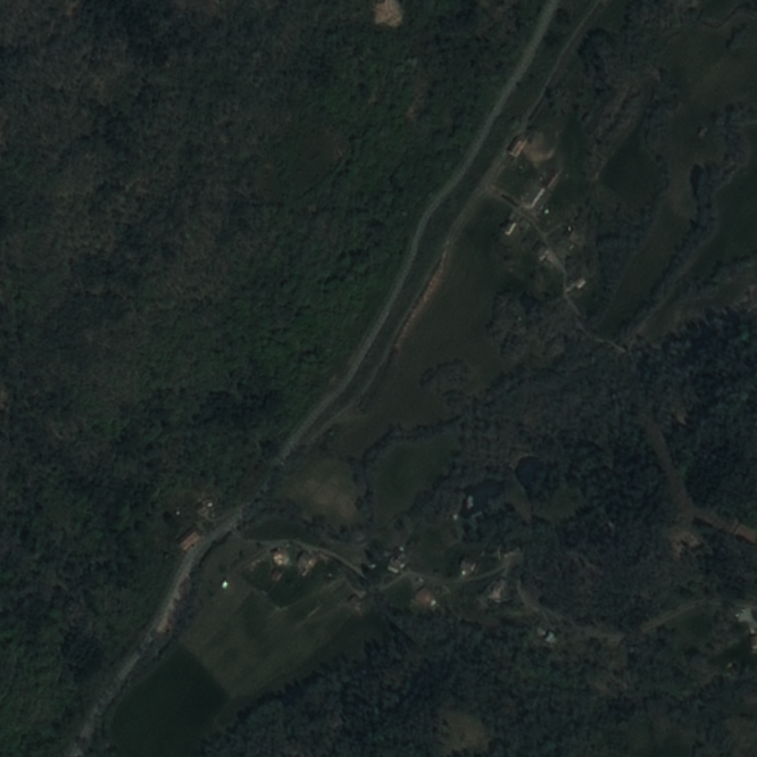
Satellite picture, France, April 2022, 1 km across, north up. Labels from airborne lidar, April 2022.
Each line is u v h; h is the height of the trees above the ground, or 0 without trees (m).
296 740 20
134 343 16
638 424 20
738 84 0
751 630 0
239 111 24
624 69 7
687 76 0
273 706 21
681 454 18
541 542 16
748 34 7
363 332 9
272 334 15
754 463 14
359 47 13
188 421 7
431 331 0
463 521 0
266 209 28
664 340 0
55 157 24
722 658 0
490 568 0
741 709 0
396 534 0
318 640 0
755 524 16
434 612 0
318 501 0
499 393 20
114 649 9
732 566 20
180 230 22
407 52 11
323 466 0
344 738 18
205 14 29
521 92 6
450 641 15
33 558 24
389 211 22
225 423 35
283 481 25
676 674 19
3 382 33
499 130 10
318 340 18
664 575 20
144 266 24
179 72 6
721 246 0
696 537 0
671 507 25
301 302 22
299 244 18
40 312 22
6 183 21
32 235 21
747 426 24
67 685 22
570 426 6
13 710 19
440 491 17
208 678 0
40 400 12
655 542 19
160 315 21
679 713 18
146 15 14
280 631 0
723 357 27
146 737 0
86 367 19
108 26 20
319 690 24
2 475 33
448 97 17
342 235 18
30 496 28
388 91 10
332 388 0
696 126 0
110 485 25
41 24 7
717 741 10
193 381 22
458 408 19
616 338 12
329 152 0
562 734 8
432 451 0
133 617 16
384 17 0
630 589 23
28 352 20
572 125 0
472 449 18
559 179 0
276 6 25
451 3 23
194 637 0
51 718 23
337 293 22
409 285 10
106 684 25
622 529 28
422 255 9
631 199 0
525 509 0
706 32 0
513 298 7
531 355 0
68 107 17
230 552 0
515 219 0
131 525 11
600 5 9
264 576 0
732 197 0
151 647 10
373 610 0
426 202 12
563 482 26
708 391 15
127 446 35
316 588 0
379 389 8
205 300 14
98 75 16
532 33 16
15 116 17
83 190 19
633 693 8
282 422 17
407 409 0
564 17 11
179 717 0
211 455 22
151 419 12
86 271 19
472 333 0
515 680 18
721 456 13
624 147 0
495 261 0
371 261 29
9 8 14
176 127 20
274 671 0
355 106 9
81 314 22
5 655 14
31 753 21
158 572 7
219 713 0
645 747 0
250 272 7
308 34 8
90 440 27
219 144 21
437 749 21
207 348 21
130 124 19
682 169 0
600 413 19
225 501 9
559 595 15
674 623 0
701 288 8
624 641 9
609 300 6
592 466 21
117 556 17
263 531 0
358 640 0
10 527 28
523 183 0
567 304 7
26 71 18
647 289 0
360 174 6
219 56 22
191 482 24
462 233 0
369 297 8
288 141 8
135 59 16
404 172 12
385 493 0
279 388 17
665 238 0
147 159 7
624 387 6
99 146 11
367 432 0
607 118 11
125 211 18
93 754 16
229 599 0
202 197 23
